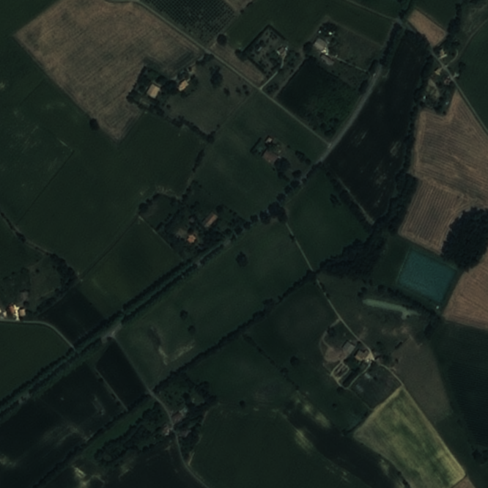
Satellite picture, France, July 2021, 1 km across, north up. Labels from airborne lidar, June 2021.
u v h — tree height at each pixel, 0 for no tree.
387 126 0
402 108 0
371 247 17
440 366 0
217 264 0
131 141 0
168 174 0
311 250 0
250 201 0
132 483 0
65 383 0
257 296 0
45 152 0
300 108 6
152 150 0
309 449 0
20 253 0
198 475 0
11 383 0
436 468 0
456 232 26
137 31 0
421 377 0
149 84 6
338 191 13
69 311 0
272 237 0
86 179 0
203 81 0
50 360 0
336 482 0
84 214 0
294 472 0
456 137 0
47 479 9
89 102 0
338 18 0
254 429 0
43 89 0
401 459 0
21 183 0
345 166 0
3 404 18
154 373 0
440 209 0
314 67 10
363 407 0
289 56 8
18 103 0
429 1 0
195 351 0
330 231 0
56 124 0
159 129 0
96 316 0
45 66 0
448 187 0
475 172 0
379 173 0
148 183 0
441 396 0
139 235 0
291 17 0
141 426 10
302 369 0
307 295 0
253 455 0
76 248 0
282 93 6
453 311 0
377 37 0
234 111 0
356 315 0
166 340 0
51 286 0
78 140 0
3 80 0
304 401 0
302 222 0
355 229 0
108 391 0
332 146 0
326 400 0
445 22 0
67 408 0
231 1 0
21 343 0
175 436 13
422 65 0
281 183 0
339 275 19
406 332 0
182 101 0
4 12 0
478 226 28
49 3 0
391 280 0
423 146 0
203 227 9
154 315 0
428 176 0
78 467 0
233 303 0
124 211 0
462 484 0
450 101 0
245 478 0
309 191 0
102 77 0
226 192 0
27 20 0
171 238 17
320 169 12
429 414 0
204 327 0
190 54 0
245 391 0
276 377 0
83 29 0
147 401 13
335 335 13
